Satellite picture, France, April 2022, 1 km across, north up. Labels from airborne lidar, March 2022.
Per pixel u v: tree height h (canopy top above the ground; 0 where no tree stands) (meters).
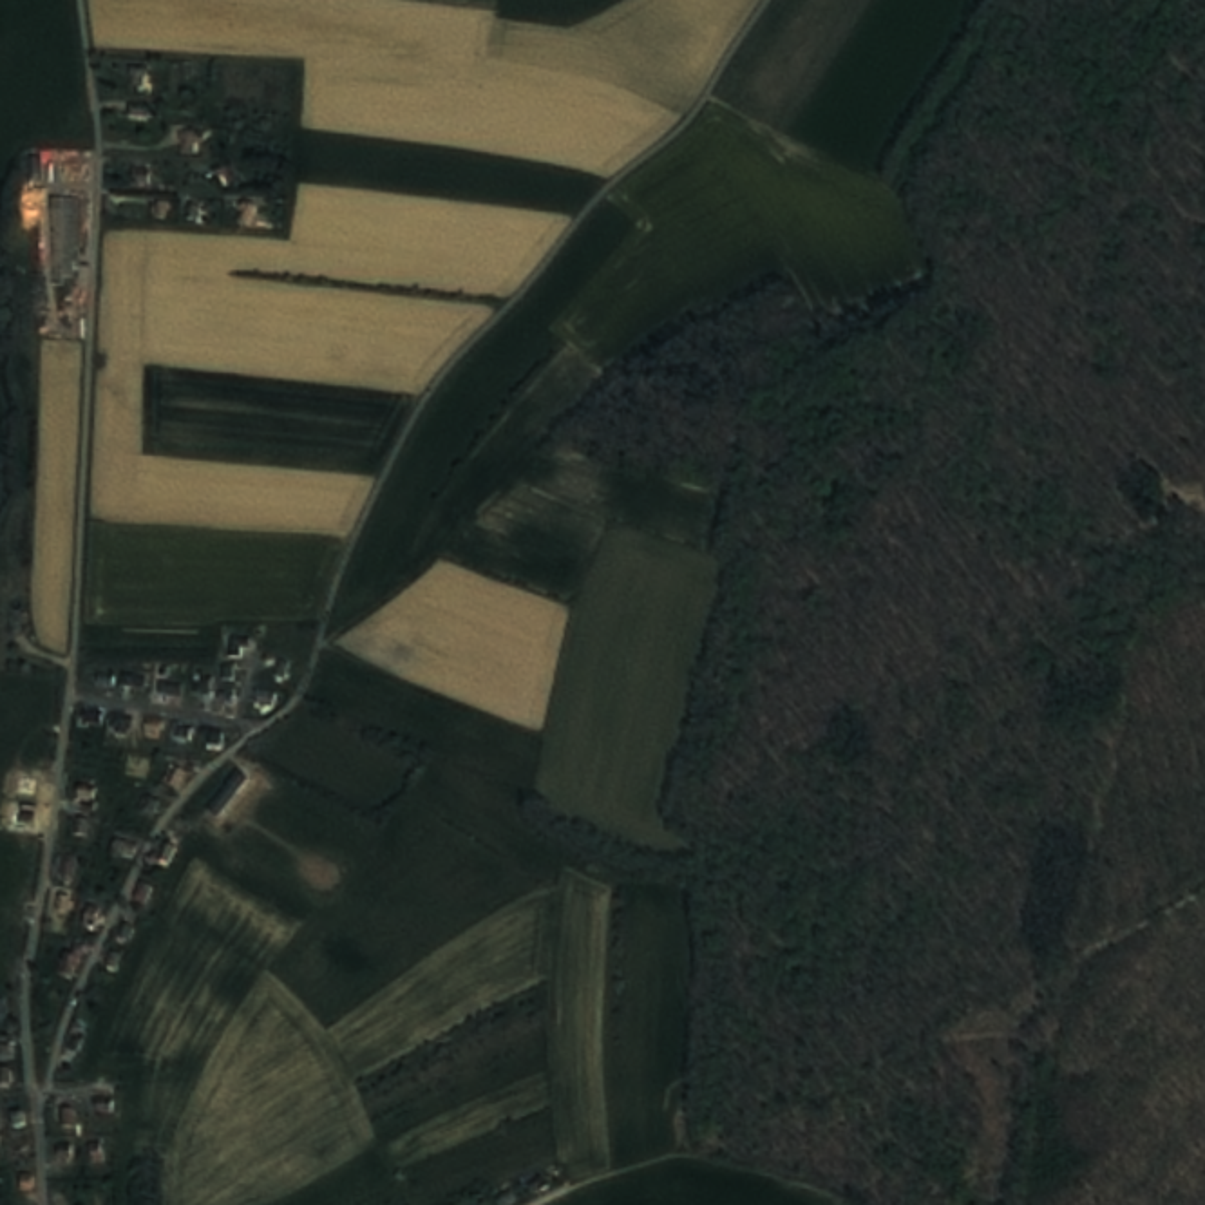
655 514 0
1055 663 22
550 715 0
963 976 25
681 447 23
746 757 25
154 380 0
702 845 23
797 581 28
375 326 0
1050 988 23
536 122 0
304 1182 0
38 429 7
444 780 0
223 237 0
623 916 8
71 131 0
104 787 0
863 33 0
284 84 0
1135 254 25
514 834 0
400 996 0
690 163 0
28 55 0
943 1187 25
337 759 0
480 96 0
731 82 0
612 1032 0
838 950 27
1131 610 23
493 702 0
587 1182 0
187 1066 0
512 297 0
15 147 0
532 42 0
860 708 24
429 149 0
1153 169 25
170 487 0
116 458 0
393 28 0
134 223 0
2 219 9
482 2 0
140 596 0
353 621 0
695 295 0
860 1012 25
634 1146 0
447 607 0
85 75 0
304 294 0
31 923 0
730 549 20
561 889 0
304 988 0
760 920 25
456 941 0
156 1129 0
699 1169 0
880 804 27
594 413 18
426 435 0
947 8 0
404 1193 0
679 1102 0
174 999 0
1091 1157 16
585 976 0
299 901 0
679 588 0
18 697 0
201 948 0
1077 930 17
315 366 0
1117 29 24
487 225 0
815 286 0
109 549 0
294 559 0
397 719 0
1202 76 19
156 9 0
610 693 0
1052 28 25
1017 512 26
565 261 0
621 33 0
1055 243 24
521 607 0
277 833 0
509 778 0
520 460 0
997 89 28
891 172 20
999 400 25
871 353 28
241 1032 0
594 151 0
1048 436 26
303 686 0
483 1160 0
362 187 0
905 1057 30
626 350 0
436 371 0
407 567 0
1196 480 25
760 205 0
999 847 25
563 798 0
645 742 0
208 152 9
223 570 0
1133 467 26
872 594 29
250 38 0
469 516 0
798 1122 29
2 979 0
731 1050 27
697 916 20
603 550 0
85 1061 0
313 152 0
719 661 16
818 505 26
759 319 21
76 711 0
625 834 0
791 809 27
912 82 0
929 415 19
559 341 0
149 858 6
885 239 0
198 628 0
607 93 0
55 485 0
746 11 0
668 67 0
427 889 0
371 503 0
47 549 0
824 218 0
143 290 0
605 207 0
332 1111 0
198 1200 0
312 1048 0
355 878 0
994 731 26
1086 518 25
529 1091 0
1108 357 19
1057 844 23
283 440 0
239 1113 0
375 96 0
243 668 0
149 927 0
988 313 27
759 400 27
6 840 0
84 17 0
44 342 0
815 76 0
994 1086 0
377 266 0
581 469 0
